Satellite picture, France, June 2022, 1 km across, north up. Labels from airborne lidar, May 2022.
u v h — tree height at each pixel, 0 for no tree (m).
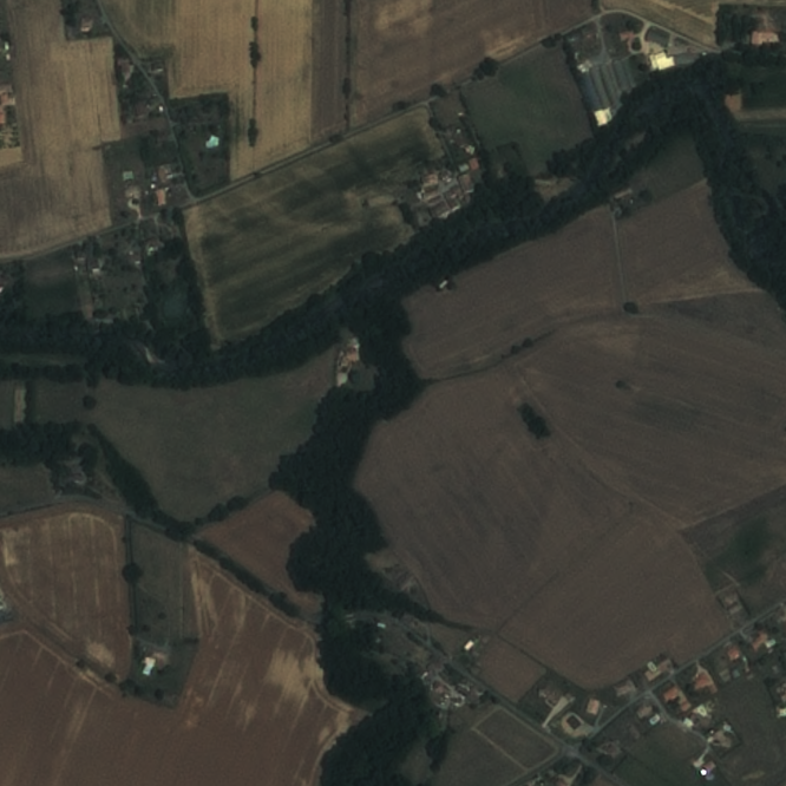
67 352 12
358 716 0
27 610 0
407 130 0
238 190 0
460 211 7
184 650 0
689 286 0
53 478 10
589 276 0
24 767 0
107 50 0
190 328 5
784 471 0
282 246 0
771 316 0
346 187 0
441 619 9
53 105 0
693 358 0
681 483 0
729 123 28
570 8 0
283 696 0
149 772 0
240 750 0
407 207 12
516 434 0
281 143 0
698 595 0
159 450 0
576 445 0
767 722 0
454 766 0
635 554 0
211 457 0
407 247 12
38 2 0
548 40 11
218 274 0
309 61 0
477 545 0
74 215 0
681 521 0
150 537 0
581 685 0
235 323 0
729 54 14
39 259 0
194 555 0
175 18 0
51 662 0
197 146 0
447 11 0
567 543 0
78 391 0
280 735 0
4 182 0
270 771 0
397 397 22
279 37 0
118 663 0
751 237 11
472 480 0
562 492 0
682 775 0
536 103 0
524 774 0
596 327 0
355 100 0
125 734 0
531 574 0
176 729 0
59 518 0
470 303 0
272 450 0
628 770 0
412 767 0
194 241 0
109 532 0
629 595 0
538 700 0
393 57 0
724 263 0
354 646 18
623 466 0
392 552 0
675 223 0
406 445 0
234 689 0
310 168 0
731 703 0
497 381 0
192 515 0
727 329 0
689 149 0
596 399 0
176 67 0
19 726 0
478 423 0
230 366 19
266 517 0
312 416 0
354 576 22
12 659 0
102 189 0
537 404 0
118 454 8
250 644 0
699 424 0
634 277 0
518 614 0
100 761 0
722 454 0
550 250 0
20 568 0
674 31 0
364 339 17
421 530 0
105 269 6
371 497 0
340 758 17
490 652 0
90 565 0
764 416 0
